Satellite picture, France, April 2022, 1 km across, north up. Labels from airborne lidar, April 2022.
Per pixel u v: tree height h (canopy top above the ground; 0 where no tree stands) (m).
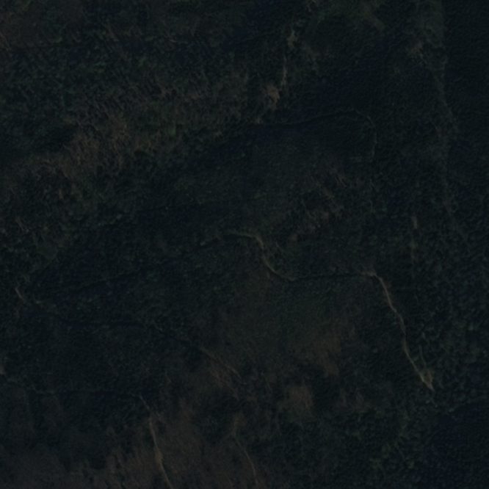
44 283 29
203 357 22
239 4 6
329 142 20
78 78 11
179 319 31
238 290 22
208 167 27
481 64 11
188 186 25
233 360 23
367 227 23
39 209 35
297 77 26
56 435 23
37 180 28
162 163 25
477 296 38
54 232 33
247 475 20
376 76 25
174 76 13
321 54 28
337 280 18
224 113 21
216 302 22
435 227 24
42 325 31
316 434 33
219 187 23
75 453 19
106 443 23
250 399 14
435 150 11
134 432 21
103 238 28
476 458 24
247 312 24
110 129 17
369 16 27
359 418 26
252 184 20
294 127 15
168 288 25
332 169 24
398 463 27
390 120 29
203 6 8
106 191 27
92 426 15
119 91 32
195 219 20
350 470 30
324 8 29
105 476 21
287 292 21
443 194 9
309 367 18
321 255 24
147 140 23
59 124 17
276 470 32
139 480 19
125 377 26
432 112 26
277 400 23
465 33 14
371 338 26
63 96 23
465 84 28
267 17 23
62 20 10
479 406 32
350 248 24
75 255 21
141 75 12
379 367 25
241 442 23
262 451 26
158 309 29
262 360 21
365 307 21
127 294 31
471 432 28
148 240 21
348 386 15
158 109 19
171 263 21
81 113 8
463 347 31
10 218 31
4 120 23
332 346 23
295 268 20
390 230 19
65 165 25
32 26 14
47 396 23
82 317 27
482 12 19
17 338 30
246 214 22
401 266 24
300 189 18
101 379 24
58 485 21
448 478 20
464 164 25
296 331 22
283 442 31
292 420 23
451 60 15
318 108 19
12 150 23
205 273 23
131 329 28
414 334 19
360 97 22
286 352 20
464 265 29
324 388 21
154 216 27
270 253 20
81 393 22
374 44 27
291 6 23
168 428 26
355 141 21
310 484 34
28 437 23
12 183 22
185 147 29
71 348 24
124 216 18
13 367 26
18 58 37
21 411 23
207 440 25
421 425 29
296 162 21
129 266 23
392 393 22
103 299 26
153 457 23
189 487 17
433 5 12
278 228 18
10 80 29
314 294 21
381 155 27
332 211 25
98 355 23
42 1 18
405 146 25
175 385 19
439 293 9
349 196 27
